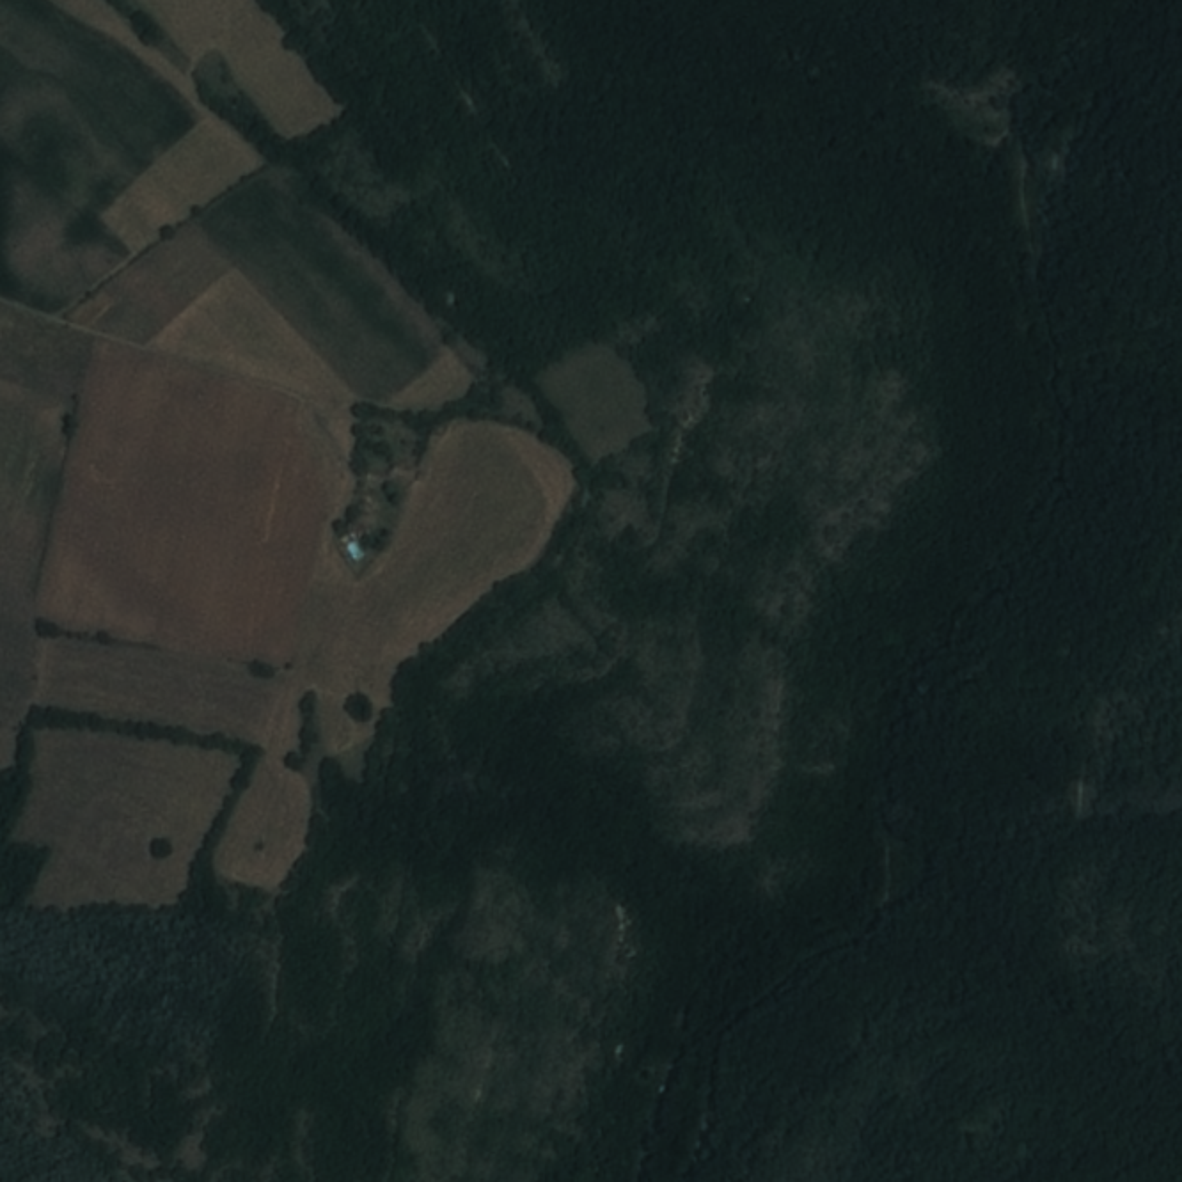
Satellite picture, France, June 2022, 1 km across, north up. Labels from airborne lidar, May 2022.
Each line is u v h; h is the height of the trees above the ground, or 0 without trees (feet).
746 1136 40
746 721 23
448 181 22
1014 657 86
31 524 0
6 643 0
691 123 59
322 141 33
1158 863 36
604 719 22
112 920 42
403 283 27
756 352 21
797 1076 42
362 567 0
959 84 35
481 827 48
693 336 34
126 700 0
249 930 24
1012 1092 32
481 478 0
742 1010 19
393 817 30
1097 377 43
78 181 0
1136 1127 47
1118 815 18
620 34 73
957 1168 23
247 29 0
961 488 45
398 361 0
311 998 30
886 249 43
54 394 0
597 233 30
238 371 0
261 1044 24
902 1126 34
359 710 20
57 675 0
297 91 0
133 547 0
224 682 0
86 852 0
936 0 41
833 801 33
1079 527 60
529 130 36
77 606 0
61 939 50
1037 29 54
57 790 0
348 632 0
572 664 27
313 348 0
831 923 24
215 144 0
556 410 30
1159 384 65
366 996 39
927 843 46
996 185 94
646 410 26
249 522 0
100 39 0
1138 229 50
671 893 71
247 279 0
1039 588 87
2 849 32
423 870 39
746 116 63
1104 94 35
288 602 0
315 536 0
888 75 52
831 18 49
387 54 37
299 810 0
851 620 45
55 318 0
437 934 25
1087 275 61
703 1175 71
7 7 0
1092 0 77
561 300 39
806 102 71
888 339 32
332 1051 29
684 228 44
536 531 0
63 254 0
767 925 54
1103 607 65
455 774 26
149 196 0
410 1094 27
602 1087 45
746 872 40
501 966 31
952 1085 41
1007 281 94
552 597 24
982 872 55
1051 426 70
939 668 55
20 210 0
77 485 0
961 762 57
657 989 50
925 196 68
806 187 67
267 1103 28
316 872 33
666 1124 101
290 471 0
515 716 40
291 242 0
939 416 35
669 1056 60
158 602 0
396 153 33
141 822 0
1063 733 54
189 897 31
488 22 47
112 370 0
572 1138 28
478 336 36
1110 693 23
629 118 45
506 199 42
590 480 25
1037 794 38
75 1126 25
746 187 36
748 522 37
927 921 64
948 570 59
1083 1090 52
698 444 28
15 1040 31
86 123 0
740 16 76
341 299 0
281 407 0
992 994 40
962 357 34
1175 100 45
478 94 27
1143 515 50
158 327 0
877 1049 20
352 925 18
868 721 37
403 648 0
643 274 37
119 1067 38
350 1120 37
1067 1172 51
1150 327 22
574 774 55
